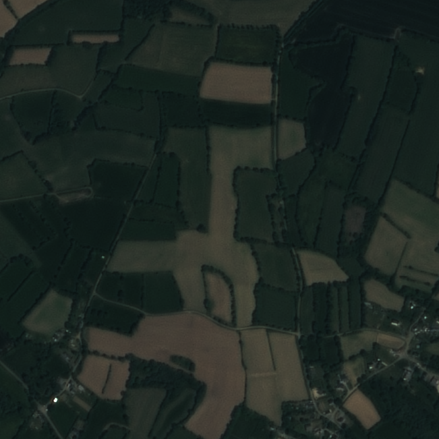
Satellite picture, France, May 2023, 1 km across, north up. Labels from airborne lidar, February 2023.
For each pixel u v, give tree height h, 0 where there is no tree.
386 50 0
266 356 0
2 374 0
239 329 0
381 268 0
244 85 0
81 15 0
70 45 12
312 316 0
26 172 0
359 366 0
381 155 0
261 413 0
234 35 0
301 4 0
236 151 0
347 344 0
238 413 11
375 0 0
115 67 0
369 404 0
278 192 14
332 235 0
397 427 12
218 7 0
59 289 6
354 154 0
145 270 0
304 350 10
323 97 0
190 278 0
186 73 0
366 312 8
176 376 13
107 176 0
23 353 0
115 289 0
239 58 0
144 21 7
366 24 0
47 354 7
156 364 9
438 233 0
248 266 0
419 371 17
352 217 0
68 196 0
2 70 13
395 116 0
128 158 0
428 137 0
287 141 0
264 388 0
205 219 0
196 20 0
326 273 0
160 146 10
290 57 14
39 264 0
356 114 0
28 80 0
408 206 0
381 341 0
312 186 0
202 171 0
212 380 0
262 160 0
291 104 0
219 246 0
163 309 0
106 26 0
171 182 0
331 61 0
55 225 0
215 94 0
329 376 10
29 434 0
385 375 0
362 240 10
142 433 0
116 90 12
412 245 0
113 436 0
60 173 0
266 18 0
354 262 0
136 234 0
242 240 11
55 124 12
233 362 0
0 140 0
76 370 0
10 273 0
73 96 0
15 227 0
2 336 0
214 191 0
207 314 0
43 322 0
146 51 0
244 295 0
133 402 0
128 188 0
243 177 0
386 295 0
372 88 0
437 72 0
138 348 0
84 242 0
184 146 0
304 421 7
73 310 9
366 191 0
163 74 0
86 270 14
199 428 0
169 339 0
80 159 0
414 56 0
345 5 0
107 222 0
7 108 0
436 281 0
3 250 0
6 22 0
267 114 0
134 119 0
